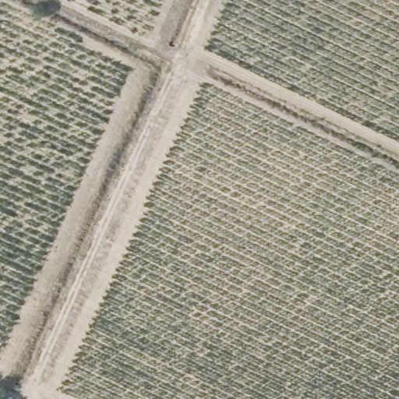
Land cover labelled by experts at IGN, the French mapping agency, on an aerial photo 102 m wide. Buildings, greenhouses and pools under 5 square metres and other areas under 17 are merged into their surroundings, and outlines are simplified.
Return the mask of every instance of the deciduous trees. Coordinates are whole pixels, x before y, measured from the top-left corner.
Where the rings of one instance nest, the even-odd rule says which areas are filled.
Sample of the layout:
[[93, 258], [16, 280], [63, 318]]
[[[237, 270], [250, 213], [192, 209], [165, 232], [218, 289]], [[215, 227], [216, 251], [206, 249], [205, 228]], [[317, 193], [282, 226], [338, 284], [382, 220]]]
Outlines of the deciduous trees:
[[5, 377], [0, 374], [0, 399], [25, 399], [20, 393], [23, 379], [16, 374]]

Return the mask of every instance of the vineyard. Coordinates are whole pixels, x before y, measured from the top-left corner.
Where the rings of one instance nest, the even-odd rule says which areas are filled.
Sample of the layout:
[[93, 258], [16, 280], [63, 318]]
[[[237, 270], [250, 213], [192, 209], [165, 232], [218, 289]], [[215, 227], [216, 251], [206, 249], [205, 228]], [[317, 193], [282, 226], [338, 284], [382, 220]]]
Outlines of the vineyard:
[[134, 39], [148, 47], [156, 47], [157, 42], [161, 41], [162, 25], [167, 19], [173, 0], [0, 0], [0, 352], [8, 344], [12, 327], [16, 326], [19, 320], [19, 310], [25, 304], [26, 296], [33, 290], [34, 274], [39, 273], [44, 267], [48, 248], [55, 242], [59, 226], [64, 221], [65, 210], [72, 204], [75, 190], [81, 184], [90, 157], [101, 140], [103, 131], [98, 129], [98, 125], [109, 122], [114, 98], [122, 92], [126, 78], [131, 72], [131, 67], [125, 65], [129, 59], [126, 55], [129, 53], [129, 42]]
[[365, 139], [362, 136], [348, 131], [348, 128], [343, 128], [338, 123], [330, 122], [329, 118], [315, 117], [312, 112], [298, 108], [296, 104], [285, 106], [287, 100], [279, 98], [274, 101], [276, 98], [268, 90], [254, 86], [245, 79], [235, 78], [226, 70], [210, 65], [207, 75], [212, 79], [210, 83], [199, 86], [195, 101], [190, 106], [181, 129], [176, 132], [173, 147], [168, 150], [159, 175], [153, 182], [150, 195], [147, 196], [147, 212], [143, 212], [137, 232], [132, 234], [132, 240], [129, 240], [123, 259], [115, 268], [109, 290], [98, 307], [97, 316], [89, 324], [83, 344], [79, 346], [79, 352], [76, 352], [73, 358], [73, 365], [59, 385], [58, 390], [61, 393], [78, 399], [399, 399], [399, 161], [396, 159], [396, 151], [383, 147], [382, 143], [363, 143]]
[[351, 118], [354, 122], [399, 142], [399, 0], [228, 0], [221, 9], [221, 16], [218, 17], [214, 30], [210, 31], [207, 51], [212, 51], [249, 72], [281, 84], [285, 89], [296, 92], [301, 97], [309, 98], [330, 111]]

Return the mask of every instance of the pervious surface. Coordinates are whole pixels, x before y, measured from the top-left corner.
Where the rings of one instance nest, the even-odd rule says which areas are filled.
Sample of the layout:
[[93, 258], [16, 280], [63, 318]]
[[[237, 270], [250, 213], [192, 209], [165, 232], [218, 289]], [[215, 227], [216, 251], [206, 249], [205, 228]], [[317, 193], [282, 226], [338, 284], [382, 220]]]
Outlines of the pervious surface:
[[212, 51], [207, 51], [210, 31], [214, 30], [218, 17], [221, 16], [221, 9], [228, 0], [193, 0], [192, 9], [187, 14], [181, 30], [187, 36], [181, 50], [176, 51], [173, 56], [173, 70], [164, 75], [161, 73], [157, 79], [161, 90], [157, 92], [156, 100], [147, 104], [150, 112], [143, 115], [145, 123], [137, 129], [132, 142], [129, 143], [126, 164], [120, 167], [120, 176], [112, 179], [109, 185], [108, 203], [103, 217], [95, 226], [92, 248], [87, 251], [86, 259], [76, 260], [73, 265], [75, 282], [70, 285], [67, 299], [61, 309], [55, 309], [51, 316], [55, 320], [55, 326], [47, 332], [47, 340], [34, 373], [23, 379], [20, 393], [25, 399], [78, 399], [61, 393], [58, 390], [59, 385], [73, 365], [73, 358], [76, 352], [79, 352], [79, 346], [83, 344], [89, 324], [97, 316], [98, 307], [109, 290], [115, 268], [123, 259], [129, 240], [132, 240], [132, 234], [137, 232], [143, 212], [147, 212], [147, 196], [150, 195], [153, 182], [159, 175], [168, 150], [173, 147], [176, 132], [181, 129], [190, 106], [195, 101], [199, 86], [210, 83], [212, 79], [207, 75], [210, 65], [226, 70], [235, 78], [245, 79], [254, 86], [268, 90], [276, 98], [274, 101], [279, 98], [287, 100], [285, 106], [296, 104], [298, 108], [312, 112], [315, 117], [329, 118], [330, 122], [338, 123], [343, 128], [348, 128], [348, 131], [362, 136], [365, 139], [363, 143], [382, 143], [383, 147], [396, 151], [396, 159], [399, 161], [399, 142], [354, 122], [351, 118], [330, 111], [309, 98], [301, 97], [296, 92], [285, 89], [281, 84], [249, 72]]

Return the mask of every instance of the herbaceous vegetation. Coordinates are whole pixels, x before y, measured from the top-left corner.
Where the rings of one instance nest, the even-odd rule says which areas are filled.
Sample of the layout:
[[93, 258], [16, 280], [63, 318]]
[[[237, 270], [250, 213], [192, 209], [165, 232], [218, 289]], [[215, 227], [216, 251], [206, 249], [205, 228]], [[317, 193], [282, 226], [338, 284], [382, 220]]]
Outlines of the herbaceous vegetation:
[[167, 19], [162, 25], [161, 41], [157, 42], [156, 47], [148, 47], [134, 39], [129, 42], [129, 53], [126, 55], [129, 59], [125, 65], [131, 67], [131, 72], [126, 78], [122, 92], [114, 98], [109, 122], [98, 125], [98, 129], [103, 131], [101, 140], [90, 157], [81, 184], [75, 190], [72, 204], [65, 210], [64, 221], [59, 226], [55, 242], [48, 248], [44, 267], [39, 273], [34, 274], [33, 290], [26, 296], [25, 304], [19, 310], [19, 320], [16, 326], [12, 327], [8, 344], [0, 352], [0, 374], [5, 377], [16, 374], [23, 379], [34, 373], [47, 340], [47, 332], [55, 326], [55, 320], [51, 316], [55, 309], [61, 309], [67, 299], [70, 285], [75, 282], [73, 265], [76, 260], [86, 259], [87, 251], [92, 248], [95, 226], [103, 217], [108, 203], [109, 185], [112, 179], [120, 176], [120, 167], [126, 164], [129, 143], [132, 142], [137, 129], [145, 123], [143, 115], [150, 112], [147, 104], [156, 100], [157, 92], [161, 90], [157, 79], [161, 73], [164, 75], [173, 70], [173, 56], [176, 51], [181, 50], [187, 36], [181, 30], [187, 14], [192, 9], [193, 0], [173, 0]]

